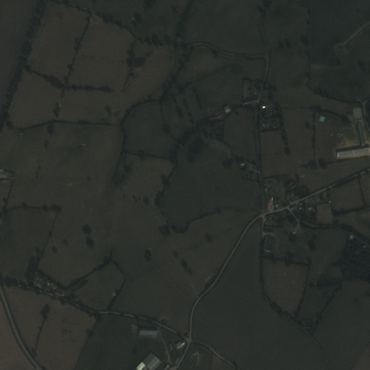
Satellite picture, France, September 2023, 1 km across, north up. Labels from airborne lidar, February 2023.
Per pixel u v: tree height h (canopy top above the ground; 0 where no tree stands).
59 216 0
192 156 15
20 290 0
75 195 0
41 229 0
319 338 0
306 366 0
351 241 12
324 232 0
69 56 0
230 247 0
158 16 0
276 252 0
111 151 0
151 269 0
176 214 0
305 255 0
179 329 0
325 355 0
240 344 0
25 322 0
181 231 10
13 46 0
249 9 0
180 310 0
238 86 0
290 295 0
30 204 0
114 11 0
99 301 0
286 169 0
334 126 0
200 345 7
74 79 0
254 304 0
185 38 0
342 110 0
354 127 0
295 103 0
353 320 0
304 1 0
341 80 0
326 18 0
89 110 0
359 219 0
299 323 12
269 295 0
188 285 0
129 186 0
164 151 0
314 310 0
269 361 0
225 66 0
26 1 0
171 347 0
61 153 0
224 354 0
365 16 0
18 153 0
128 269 0
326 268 0
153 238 0
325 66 0
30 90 0
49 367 0
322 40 0
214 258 0
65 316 0
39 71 0
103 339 0
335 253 0
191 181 0
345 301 0
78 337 0
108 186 0
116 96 0
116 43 0
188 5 0
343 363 0
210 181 0
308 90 0
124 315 11
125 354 0
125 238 0
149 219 0
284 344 0
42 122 0
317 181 0
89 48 0
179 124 0
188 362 0
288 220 11
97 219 0
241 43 0
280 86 0
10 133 0
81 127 0
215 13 0
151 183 0
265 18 0
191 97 0
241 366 0
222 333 0
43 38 0
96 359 0
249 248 0
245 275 0
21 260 0
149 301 0
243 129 0
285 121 0
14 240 0
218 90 0
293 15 0
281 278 0
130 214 0
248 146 0
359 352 0
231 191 0
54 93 0
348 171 0
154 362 0
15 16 0
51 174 0
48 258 0
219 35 0
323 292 0
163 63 0
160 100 13
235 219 0
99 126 0
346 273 16
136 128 0
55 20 0
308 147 0
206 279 0
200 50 0
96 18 0
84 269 0
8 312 0
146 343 0
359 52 0
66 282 0
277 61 0
